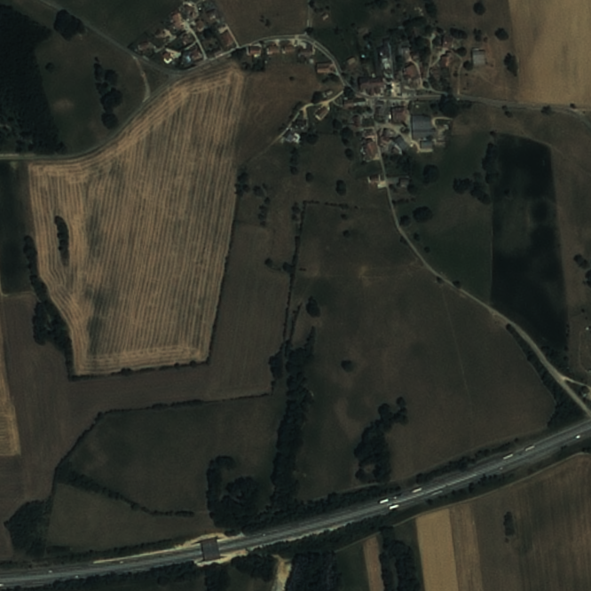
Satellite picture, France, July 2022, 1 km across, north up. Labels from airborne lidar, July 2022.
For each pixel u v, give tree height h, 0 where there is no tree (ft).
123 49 0
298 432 95
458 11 0
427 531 0
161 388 0
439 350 0
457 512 0
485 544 0
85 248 0
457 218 0
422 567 0
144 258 0
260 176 0
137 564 0
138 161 0
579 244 0
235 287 0
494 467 0
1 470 0
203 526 0
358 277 0
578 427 0
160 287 0
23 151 53
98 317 0
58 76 0
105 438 0
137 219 0
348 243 0
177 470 0
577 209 0
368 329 0
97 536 0
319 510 38
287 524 32
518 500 0
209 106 0
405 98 0
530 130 0
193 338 0
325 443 0
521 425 0
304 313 0
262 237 0
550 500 0
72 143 0
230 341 0
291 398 50
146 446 0
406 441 0
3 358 0
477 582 0
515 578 0
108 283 0
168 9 0
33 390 0
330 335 0
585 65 0
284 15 0
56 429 0
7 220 0
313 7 62
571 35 0
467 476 0
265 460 0
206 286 0
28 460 0
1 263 0
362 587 0
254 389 0
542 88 0
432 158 0
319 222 0
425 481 32
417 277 0
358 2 0
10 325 0
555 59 0
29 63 55
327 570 64
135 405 0
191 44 22
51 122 51
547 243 0
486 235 0
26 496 0
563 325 0
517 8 0
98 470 0
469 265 0
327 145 0
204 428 0
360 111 31
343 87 0
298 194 0
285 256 0
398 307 0
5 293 0
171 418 0
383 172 0
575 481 0
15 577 0
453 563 0
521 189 0
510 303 0
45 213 0
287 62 0
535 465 0
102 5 0
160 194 0
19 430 0
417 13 0
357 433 0
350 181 0
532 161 0
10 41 54
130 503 28
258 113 0
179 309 0
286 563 0
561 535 0
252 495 68
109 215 0
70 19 65
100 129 0
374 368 0
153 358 0
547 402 0
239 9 0
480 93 0
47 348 0
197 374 0
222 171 0
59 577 0
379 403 0
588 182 0
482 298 0
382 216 0
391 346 0
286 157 0
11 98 43
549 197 0
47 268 0
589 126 0
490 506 0
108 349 0
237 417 0
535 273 0
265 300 0
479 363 0
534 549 0
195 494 0
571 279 0
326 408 0
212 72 0
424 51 20
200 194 0
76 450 24
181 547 0
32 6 0
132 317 0
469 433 0
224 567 23
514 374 0
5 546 0
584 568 0
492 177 62
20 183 0
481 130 0
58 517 0
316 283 0
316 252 0
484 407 0
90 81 0
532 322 0
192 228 0
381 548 0
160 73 0
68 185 0
